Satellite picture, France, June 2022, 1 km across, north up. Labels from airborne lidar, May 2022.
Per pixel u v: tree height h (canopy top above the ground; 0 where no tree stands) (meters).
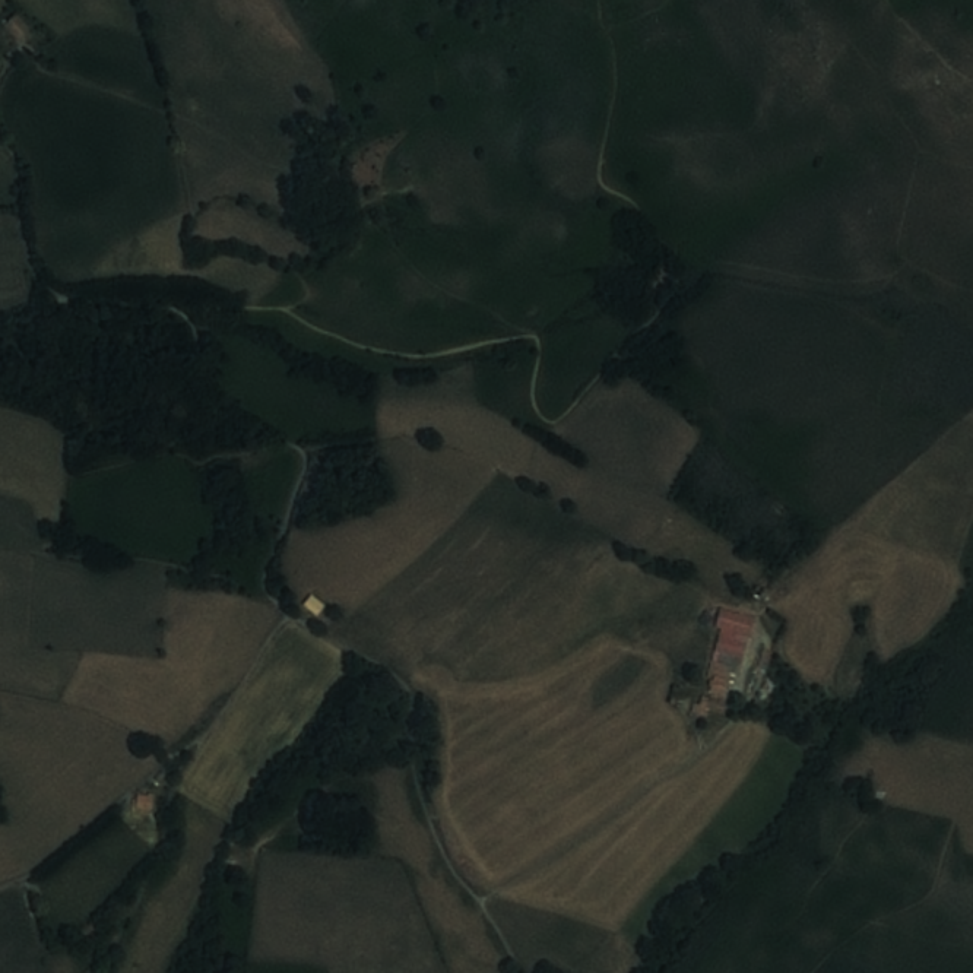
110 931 14
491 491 0
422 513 0
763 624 0
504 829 0
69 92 0
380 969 0
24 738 0
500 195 0
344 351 0
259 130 0
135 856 0
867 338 0
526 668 0
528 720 0
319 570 0
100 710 0
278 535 6
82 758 0
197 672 0
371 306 0
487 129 0
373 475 18
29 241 16
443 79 0
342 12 0
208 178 0
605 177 0
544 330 0
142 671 0
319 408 0
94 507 0
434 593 0
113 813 10
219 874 14
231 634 0
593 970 0
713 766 0
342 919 0
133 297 18
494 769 0
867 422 0
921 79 0
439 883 0
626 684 0
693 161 0
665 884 0
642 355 14
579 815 0
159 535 0
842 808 0
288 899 0
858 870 0
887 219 0
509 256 0
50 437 0
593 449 0
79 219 0
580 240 0
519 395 0
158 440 25
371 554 0
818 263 0
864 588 0
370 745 24
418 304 0
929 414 0
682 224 0
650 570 18
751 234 0
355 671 16
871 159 0
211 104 0
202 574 16
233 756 0
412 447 0
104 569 13
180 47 0
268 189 0
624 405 0
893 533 0
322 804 28
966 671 0
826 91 0
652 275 14
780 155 0
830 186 0
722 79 0
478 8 12
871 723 7
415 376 18
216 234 0
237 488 15
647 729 0
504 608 0
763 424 0
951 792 0
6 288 0
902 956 0
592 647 0
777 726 22
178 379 19
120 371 25
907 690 9
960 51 0
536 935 0
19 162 13
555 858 0
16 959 0
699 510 6
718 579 0
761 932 0
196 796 0
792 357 0
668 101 0
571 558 0
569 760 0
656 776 0
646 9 0
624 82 0
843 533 0
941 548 0
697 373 0
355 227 20
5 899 0
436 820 0
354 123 12
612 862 0
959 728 0
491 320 0
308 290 0
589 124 0
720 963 0
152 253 0
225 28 0
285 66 0
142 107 0
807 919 0
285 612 18
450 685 0
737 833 0
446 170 0
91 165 0
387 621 0
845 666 0
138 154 0
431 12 0
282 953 0
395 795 0
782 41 0
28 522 0
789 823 9
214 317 13
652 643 0
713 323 0
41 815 0
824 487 0
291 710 0
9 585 0
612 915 0
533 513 0
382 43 0
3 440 0
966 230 0
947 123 0
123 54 0
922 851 0
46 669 0
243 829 17
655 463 0
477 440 0
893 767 0
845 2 0
